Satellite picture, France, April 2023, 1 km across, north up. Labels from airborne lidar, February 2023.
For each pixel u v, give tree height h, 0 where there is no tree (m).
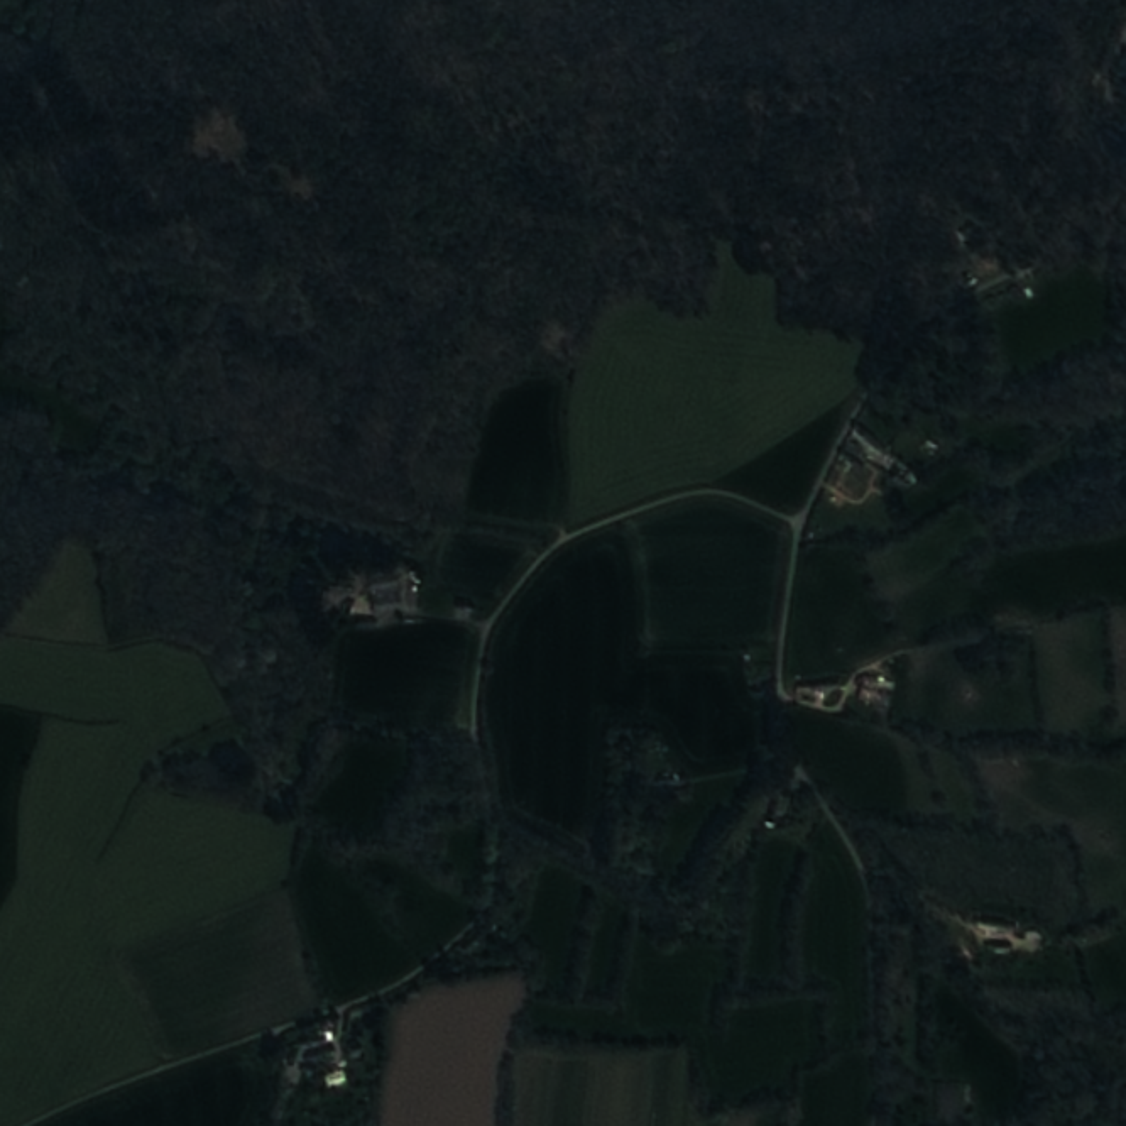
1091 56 10
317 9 19
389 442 19
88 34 21
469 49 22
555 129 19
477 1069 0
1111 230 19
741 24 26
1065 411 33
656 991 0
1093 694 0
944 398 21
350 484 23
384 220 17
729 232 12
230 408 21
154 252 25
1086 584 0
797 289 17
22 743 0
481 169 15
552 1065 0
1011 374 0
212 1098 0
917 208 21
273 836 0
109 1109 0
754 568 0
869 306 10
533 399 0
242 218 18
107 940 0
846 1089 0
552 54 23
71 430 0
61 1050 0
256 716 10
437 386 17
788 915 15
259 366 20
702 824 0
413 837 27
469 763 18
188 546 26
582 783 0
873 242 17
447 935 0
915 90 14
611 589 0
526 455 0
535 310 16
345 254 15
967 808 0
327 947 0
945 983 13
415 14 23
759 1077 0
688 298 18
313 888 0
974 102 13
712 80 16
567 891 0
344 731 22
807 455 0
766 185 17
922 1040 9
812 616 0
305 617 27
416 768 19
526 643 0
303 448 22
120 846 0
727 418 0
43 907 0
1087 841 0
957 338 23
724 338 0
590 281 18
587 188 18
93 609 0
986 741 12
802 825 9
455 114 17
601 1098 0
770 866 0
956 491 0
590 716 0
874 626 0
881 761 0
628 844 8
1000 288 0
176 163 19
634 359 0
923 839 18
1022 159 15
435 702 0
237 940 0
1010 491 22
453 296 16
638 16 25
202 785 15
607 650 0
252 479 16
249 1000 0
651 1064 0
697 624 0
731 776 0
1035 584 0
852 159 17
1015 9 16
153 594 19
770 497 0
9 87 27
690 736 0
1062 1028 20
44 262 11
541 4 29
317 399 19
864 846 18
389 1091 0
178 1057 0
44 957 0
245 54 21
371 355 22
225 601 25
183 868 0
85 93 19
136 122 22
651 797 12
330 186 19
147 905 0
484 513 0
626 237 19
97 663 0
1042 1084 8
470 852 0
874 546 19
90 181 31
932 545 0
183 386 14
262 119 17
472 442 11
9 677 0
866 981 9
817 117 15
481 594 0
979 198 23
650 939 12
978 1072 0
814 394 0
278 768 8
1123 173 21
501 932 6
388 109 18
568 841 0
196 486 15
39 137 33
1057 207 22
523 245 15
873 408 13
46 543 21
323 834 9
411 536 22
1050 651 0
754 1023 0
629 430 0
